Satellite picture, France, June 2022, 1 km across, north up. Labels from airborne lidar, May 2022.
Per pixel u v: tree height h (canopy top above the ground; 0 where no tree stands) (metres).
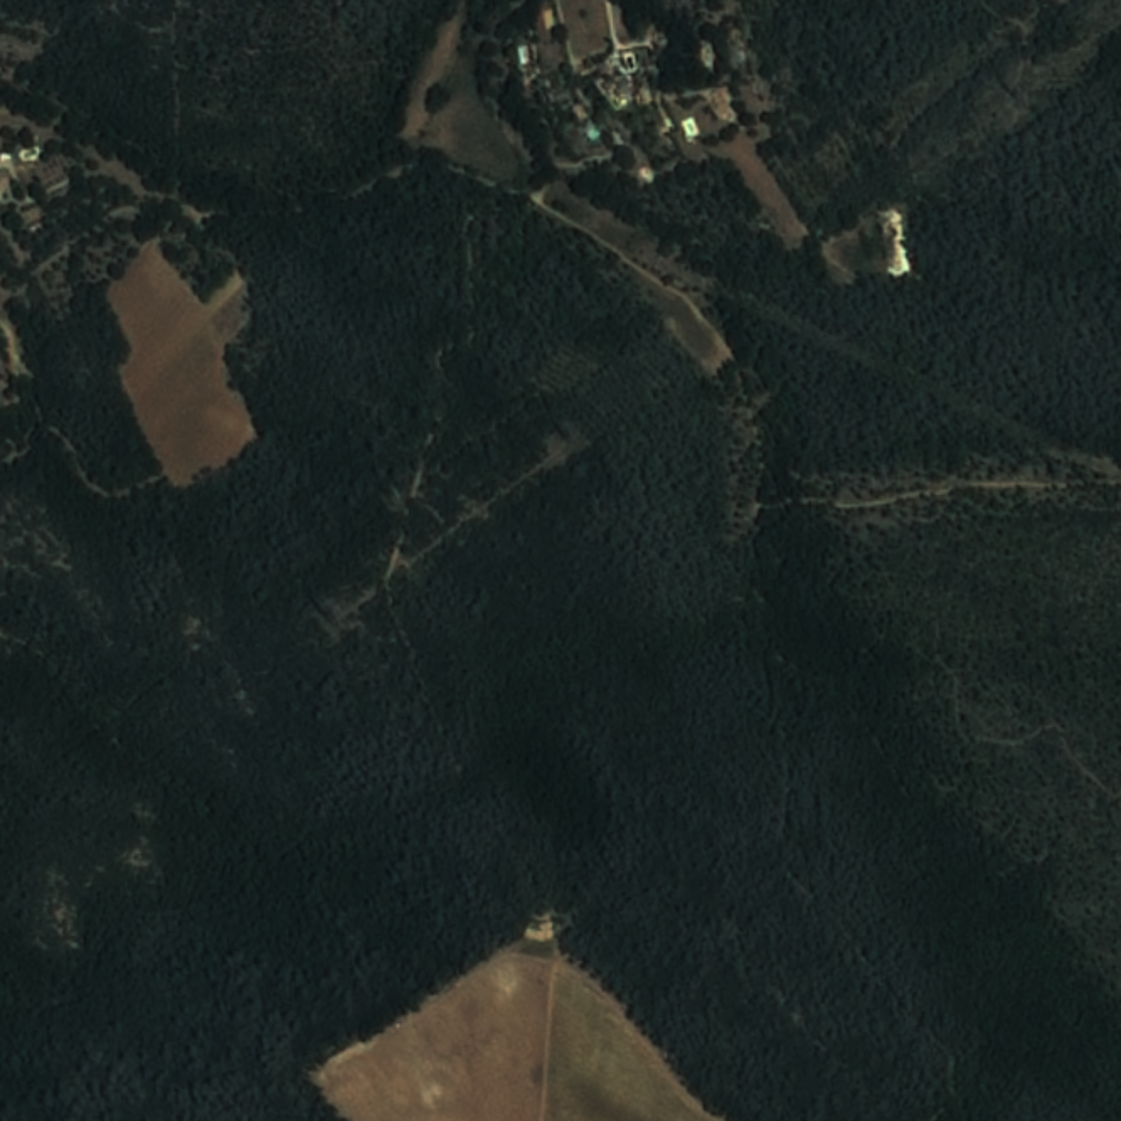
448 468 10
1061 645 13
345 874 14
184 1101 15
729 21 9
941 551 7
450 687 9
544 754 18
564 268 12
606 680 9
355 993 11
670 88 15
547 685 10
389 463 8
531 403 7
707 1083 14
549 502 11
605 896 15
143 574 18
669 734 8
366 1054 0
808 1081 7
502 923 10
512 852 16
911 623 8
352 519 7
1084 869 6
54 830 6
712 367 0
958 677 7
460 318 18
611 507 15
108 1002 10
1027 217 20
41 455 8
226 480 19
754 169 0
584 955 15
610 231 0
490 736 13
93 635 9
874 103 13
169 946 8
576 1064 0
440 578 11
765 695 16
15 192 10
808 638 13
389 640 12
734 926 12
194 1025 6
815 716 13
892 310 16
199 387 0
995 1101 12
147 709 10
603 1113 0
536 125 10
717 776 15
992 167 16
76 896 7
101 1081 7
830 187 5
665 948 10
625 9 14
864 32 17
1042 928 15
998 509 15
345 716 12
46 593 8
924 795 10
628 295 16
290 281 14
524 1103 0
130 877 6
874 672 15
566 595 10
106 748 12
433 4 14
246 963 7
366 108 7
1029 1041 15
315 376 8
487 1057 0
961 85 14
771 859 12
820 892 18
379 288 18
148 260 0
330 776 8
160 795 7
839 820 19
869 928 14
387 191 13
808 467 14
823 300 14
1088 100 19
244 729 9
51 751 9
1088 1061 14
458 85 0
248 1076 6
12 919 11
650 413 14
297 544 18
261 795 8
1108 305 18
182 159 8
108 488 11
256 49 8
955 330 17
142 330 0
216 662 7
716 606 13
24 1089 13
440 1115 0
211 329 0
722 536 17
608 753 7
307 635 6
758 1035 12
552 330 8
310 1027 9
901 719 12
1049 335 16
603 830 15
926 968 12
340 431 9
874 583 6
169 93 9
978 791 7
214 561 10
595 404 9
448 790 13
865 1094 17
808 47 10
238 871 17
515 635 10
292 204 12
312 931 12
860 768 10
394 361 11
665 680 11
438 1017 0
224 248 9
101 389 9
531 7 11
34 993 11
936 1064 19
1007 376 17
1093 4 15
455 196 15
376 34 19
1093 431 15
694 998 16
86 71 11
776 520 14
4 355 15
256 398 9
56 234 17
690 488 16
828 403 15
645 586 10
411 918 15
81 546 7
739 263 8
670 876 9
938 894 12
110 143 14
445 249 7
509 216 9
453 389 16
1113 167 19
